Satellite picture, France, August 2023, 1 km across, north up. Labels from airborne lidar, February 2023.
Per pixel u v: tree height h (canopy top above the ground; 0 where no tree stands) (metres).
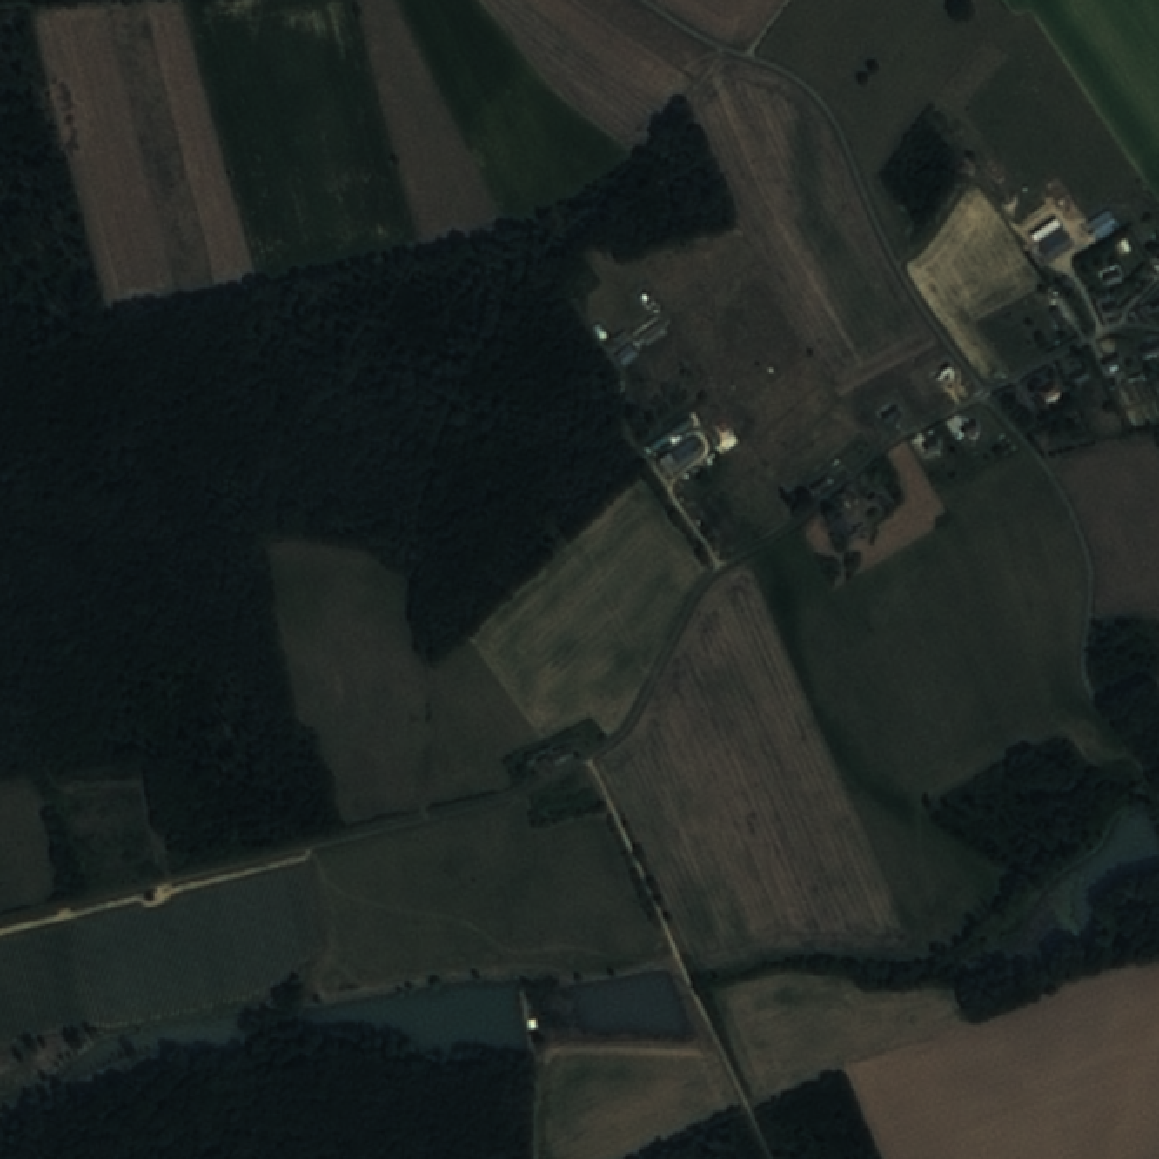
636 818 0
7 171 23
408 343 8
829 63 0
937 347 0
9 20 0
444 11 0
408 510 16
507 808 0
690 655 0
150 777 12
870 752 0
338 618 0
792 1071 0
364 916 0
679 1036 8
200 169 0
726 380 0
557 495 11
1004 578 0
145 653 21
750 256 0
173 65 0
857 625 0
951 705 0
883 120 0
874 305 0
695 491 0
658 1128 0
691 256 0
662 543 0
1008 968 22
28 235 24
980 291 0
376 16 0
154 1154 22
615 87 0
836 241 0
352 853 0
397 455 18
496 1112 20
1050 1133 0
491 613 9
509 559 16
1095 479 0
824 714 0
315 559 0
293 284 14
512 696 0
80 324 25
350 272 17
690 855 0
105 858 0
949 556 0
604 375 12
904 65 0
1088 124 0
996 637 0
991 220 0
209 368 21
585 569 0
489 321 21
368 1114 22
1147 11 0
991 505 0
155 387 21
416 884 0
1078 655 0
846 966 10
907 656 0
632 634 0
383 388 19
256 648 19
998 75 0
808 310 0
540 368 10
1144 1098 0
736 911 0
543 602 0
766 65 0
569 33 0
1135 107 0
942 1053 0
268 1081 22
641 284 0
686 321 0
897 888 0
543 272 21
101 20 0
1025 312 0
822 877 0
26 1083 0
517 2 0
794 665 0
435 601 16
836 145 0
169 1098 18
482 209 0
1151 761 17
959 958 10
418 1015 0
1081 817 19
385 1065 18
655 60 0
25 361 13
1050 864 21
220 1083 23
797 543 0
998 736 0
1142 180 0
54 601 18
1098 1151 0
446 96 0
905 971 18
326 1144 23
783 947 0
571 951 0
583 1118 0
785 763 0
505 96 0
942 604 0
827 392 0
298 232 0
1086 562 0
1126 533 0
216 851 7
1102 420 0
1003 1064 0
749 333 0
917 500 0
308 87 0
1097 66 0
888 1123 0
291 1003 12
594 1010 0
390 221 0
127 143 0
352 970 0
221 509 23
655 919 6
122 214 0
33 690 22
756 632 0
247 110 0
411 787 0
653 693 0
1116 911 21
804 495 11
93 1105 26
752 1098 0
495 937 0
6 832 0
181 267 0
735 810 0
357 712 0
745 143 0
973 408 0
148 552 17
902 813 0
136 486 24
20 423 14
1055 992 10
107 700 22
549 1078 0
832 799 0
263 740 16
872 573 0
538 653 0
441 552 16
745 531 0
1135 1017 0
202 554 21
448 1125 20
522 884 0
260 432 21
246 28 0
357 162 0
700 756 0
